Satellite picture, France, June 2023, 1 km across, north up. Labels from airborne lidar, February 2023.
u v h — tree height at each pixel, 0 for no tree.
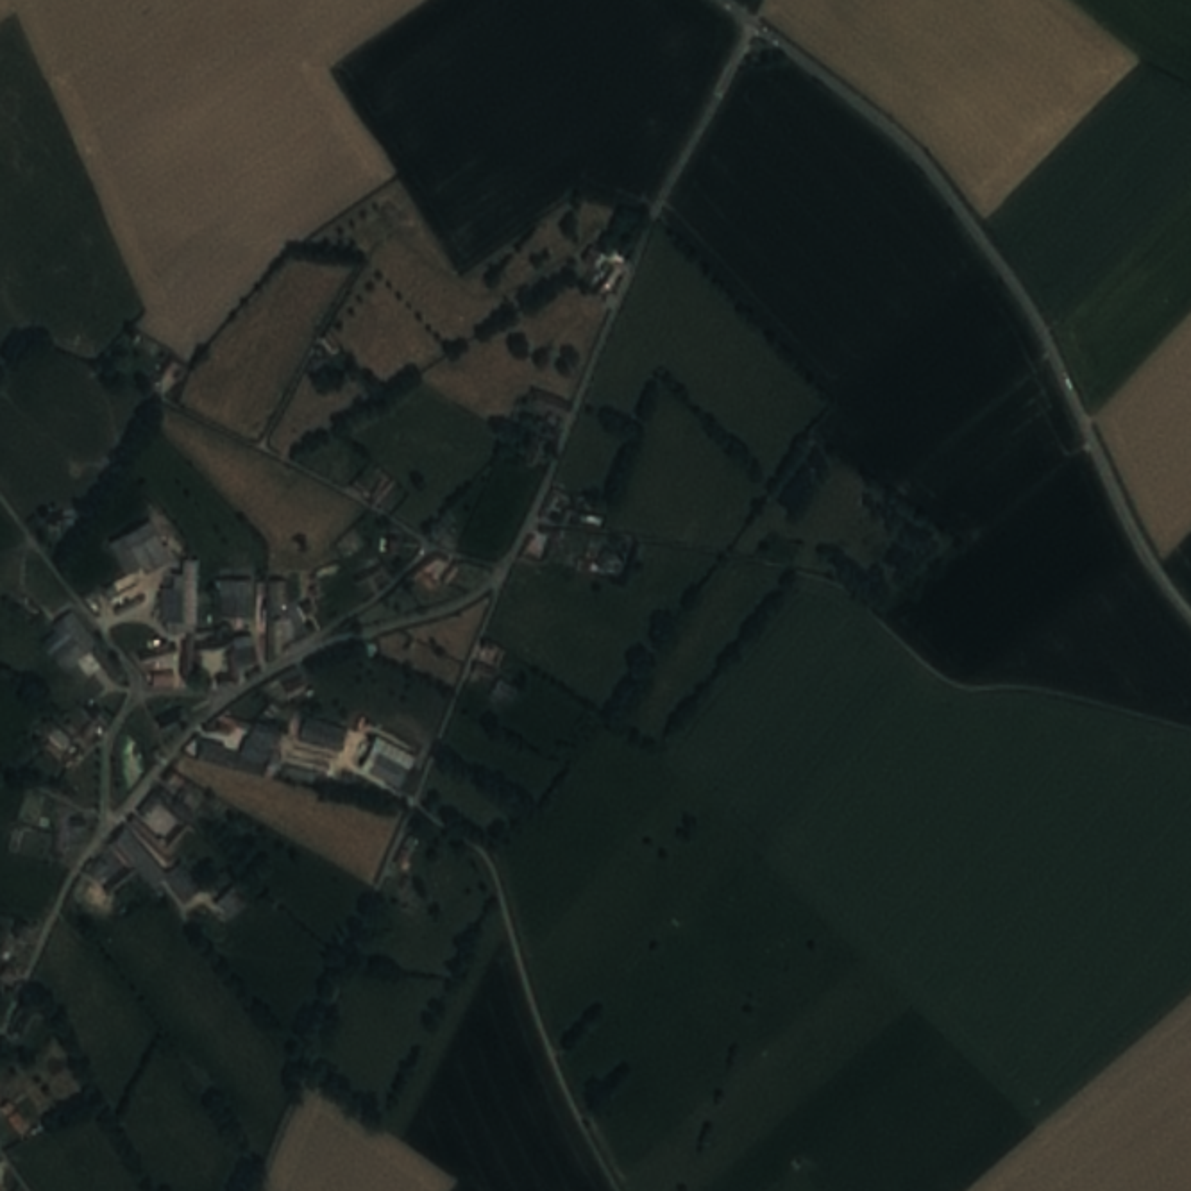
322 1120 0
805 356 0
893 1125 0
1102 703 0
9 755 0
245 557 0
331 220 0
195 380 0
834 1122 0
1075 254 0
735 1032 0
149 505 0
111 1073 0
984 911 0
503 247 0
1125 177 0
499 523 0
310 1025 26
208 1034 0
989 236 0
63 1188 0
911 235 0
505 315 14
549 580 0
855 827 0
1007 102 0
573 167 0
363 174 0
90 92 0
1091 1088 0
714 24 0
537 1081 0
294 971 0
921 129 0
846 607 0
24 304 0
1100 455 0
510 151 0
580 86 0
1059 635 0
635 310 0
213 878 19
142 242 0
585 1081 0
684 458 0
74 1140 0
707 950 0
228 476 0
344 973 22
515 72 0
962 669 0
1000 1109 0
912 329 0
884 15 0
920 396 0
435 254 0
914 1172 0
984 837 0
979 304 0
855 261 0
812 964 0
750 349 0
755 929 0
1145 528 0
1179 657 0
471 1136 0
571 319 0
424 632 0
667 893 0
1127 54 0
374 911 23
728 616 0
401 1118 0
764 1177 0
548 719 0
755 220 0
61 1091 0
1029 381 0
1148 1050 0
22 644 0
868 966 0
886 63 0
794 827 0
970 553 0
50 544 9
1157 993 0
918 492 0
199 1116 0
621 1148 0
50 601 0
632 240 7
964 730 0
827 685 0
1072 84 0
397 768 0
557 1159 0
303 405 0
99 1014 0
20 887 0
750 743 0
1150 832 0
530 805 27
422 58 0
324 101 0
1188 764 0
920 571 0
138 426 15
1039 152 0
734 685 0
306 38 0
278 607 0
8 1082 0
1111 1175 0
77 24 0
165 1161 0
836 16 0
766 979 0
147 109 0
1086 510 0
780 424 0
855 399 0
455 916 0
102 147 0
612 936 0
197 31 0
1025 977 0
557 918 0
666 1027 0
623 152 0
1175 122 0
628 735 9
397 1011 0
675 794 0
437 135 0
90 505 15
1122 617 0
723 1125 0
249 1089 0
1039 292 0
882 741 0
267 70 0
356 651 10
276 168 0
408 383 13
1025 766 0
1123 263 0
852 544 0
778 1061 0
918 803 0
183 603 0
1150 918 0
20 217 0
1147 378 0
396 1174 0
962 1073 0
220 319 0
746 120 0
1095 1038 0
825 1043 0
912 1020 0
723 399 0
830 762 0
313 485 0
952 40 0
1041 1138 0
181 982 0
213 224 0
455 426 0
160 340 0
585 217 0
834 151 0
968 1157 0
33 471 0
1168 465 0
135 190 0
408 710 0
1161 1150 0
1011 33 0
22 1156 0
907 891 0
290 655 0
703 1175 0
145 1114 0
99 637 9
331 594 0
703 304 0
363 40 0
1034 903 0
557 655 0
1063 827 0
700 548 0
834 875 0
